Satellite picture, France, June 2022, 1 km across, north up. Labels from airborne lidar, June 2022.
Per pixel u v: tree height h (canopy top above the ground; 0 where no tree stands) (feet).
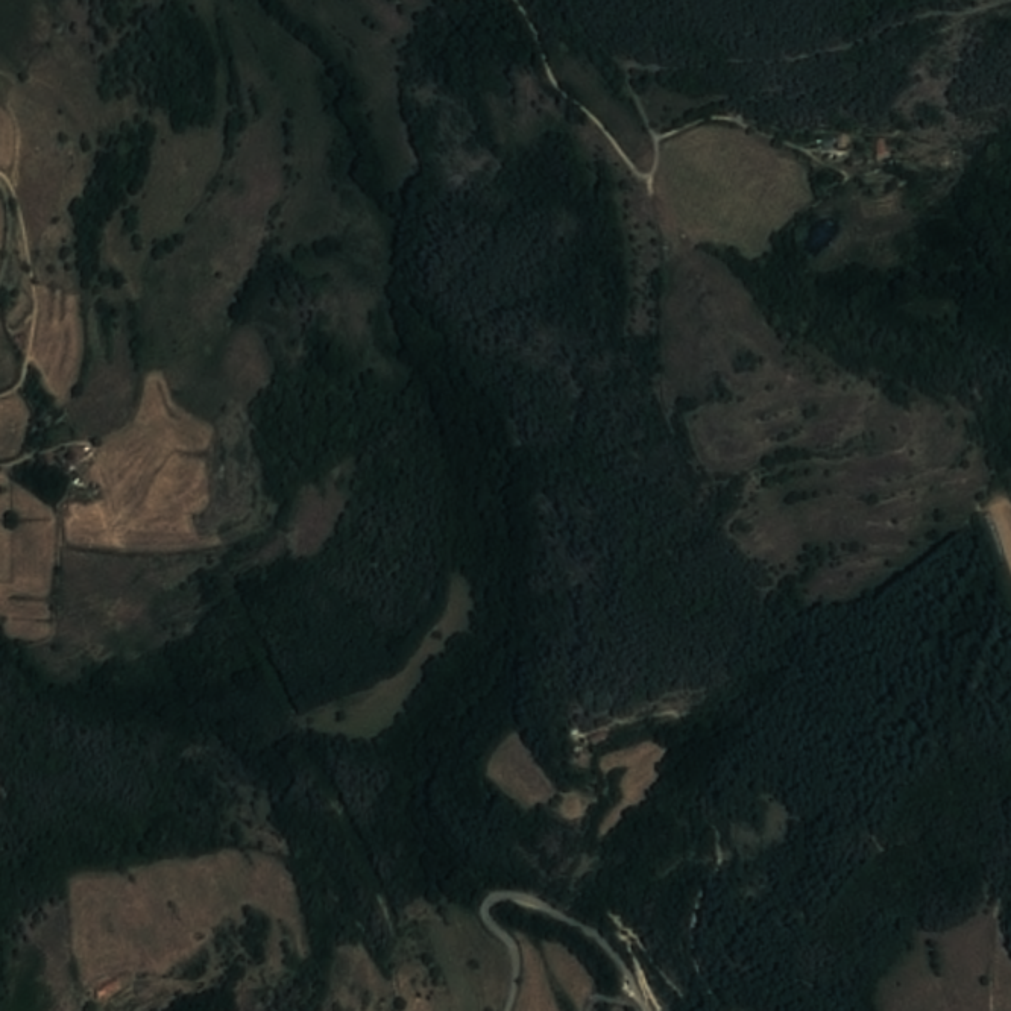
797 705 97
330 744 80
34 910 51
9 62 0
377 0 0
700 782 53
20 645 36
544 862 25
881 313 51
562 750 28
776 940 82
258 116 33
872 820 104
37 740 46
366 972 0
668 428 24
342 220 0
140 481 0
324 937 31
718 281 0
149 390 0
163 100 44
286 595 65
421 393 42
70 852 58
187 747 18
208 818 45
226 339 0
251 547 26
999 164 38
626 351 39
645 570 36
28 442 31
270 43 0
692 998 34
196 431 0
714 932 69
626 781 0
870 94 46
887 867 46
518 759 0
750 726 77
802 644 77
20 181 0
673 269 0
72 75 0
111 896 0
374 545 38
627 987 0
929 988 0
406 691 0
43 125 0
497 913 42
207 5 0
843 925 43
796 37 53
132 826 69
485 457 31
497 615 74
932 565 92
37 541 0
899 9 22
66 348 0
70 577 0
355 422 60
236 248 0
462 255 56
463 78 37
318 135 0
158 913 0
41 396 25
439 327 57
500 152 40
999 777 54
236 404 0
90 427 0
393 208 71
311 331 35
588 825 24
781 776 63
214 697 59
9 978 38
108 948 0
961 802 52
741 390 0
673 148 0
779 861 43
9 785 38
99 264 38
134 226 52
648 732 22
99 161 35
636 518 46
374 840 70
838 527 0
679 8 53
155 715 44
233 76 34
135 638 0
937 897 58
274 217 28
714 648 57
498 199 23
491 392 56
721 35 47
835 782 91
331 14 0
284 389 59
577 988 0
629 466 54
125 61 41
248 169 0
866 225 0
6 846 51
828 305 42
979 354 52
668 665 54
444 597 62
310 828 30
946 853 54
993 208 47
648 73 20
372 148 63
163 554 0
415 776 56
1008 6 18
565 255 29
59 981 0
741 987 62
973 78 52
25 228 0
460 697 52
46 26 0
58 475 29
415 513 57
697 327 0
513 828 82
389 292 50
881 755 101
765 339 0
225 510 0
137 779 74
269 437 51
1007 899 26
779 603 50
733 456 0
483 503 75
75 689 39
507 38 55
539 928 69
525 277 62
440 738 55
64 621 0
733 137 0
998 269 64
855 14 55
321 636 76
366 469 59
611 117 0
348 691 70
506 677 42
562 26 25
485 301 61
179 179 0
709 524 55
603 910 44
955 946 0
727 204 0
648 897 44
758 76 45
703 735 56
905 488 0
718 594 51
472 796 56
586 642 59
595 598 28
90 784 51
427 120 25
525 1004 0
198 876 0
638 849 51
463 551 36
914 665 73
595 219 46
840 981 68
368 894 50
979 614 41
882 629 98
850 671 110
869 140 25
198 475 0
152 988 0
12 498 0
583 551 52
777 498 0
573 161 63
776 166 0
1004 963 0
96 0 34
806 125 41
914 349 32
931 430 0
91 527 0
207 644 50
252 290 56
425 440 55
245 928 25
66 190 0
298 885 32
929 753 89
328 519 0
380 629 45
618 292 47
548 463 62
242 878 0
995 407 31
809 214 21
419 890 37
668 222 0
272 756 72
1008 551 0
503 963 0
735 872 26
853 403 0
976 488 0
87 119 0
